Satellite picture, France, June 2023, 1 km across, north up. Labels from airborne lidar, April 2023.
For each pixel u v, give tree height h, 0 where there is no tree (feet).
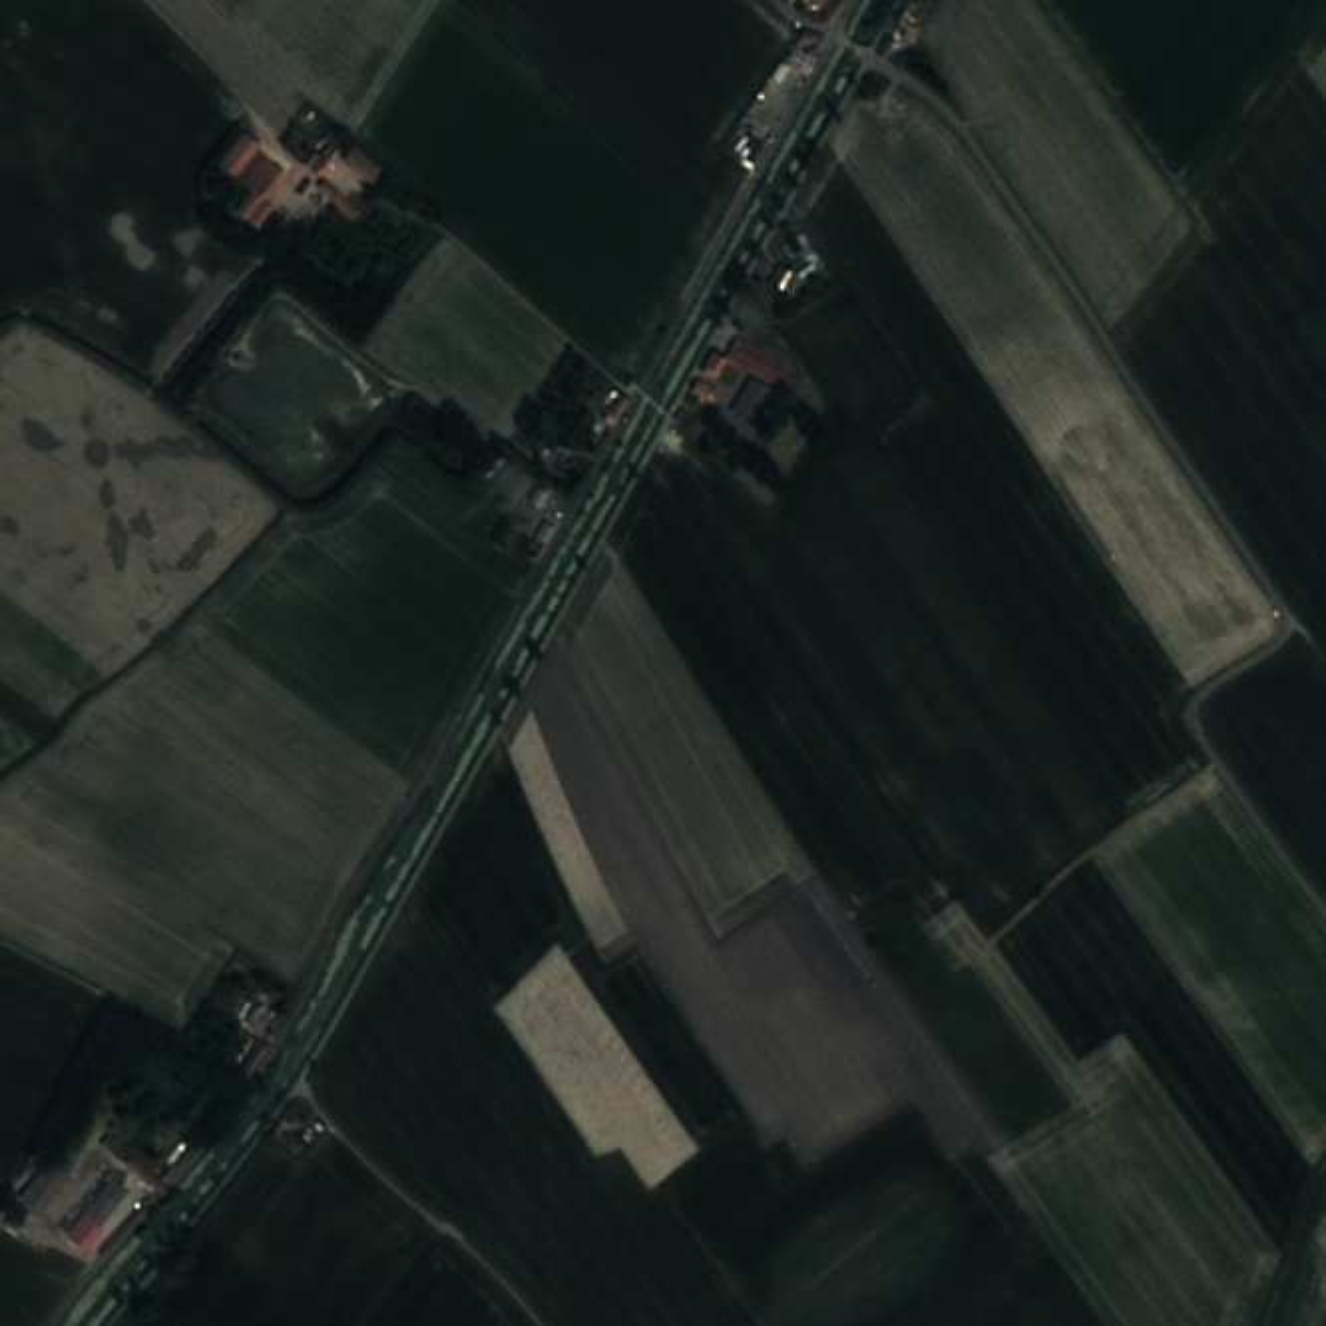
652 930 0
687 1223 0
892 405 0
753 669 0
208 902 0
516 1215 0
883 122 0
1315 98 0
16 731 0
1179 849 0
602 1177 0
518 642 0
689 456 0
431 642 0
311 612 0
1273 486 0
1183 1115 0
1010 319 0
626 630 0
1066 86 0
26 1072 0
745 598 0
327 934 0
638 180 0
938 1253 0
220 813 0
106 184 0
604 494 0
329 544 0
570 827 0
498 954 0
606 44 0
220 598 0
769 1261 0
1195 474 0
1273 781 0
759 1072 0
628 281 0
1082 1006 0
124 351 0
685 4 0
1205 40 0
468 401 0
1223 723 0
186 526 0
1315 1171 0
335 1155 0
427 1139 0
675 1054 0
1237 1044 0
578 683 0
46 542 0
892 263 0
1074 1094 0
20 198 0
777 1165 0
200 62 0
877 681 0
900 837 0
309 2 0
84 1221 0
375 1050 0
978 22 0
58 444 0
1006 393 0
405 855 0
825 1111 0
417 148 0
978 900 0
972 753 0
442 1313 0
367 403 0
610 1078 0
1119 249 0
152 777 0
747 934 0
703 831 0
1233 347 0
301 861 0
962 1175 0
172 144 0
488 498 0
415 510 0
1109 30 0
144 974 0
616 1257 0
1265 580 0
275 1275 0
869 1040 0
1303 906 0
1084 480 0
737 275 52
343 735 0
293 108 0
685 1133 0
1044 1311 0
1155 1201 0
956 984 0
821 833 0
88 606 0
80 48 0
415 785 0
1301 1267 0
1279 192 0
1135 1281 0
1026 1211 0
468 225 0
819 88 0
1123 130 0
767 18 0
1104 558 0
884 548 0
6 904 0
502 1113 0
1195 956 0
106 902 0
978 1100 0
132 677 0
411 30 0
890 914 0
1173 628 0
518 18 0
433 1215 0
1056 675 0
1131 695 0
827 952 0
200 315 0
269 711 0
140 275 0
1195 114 0
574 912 0
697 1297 0
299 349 0
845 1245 0
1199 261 0
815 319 0
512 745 0
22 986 0
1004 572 0
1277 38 0
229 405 0
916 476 0
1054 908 0
